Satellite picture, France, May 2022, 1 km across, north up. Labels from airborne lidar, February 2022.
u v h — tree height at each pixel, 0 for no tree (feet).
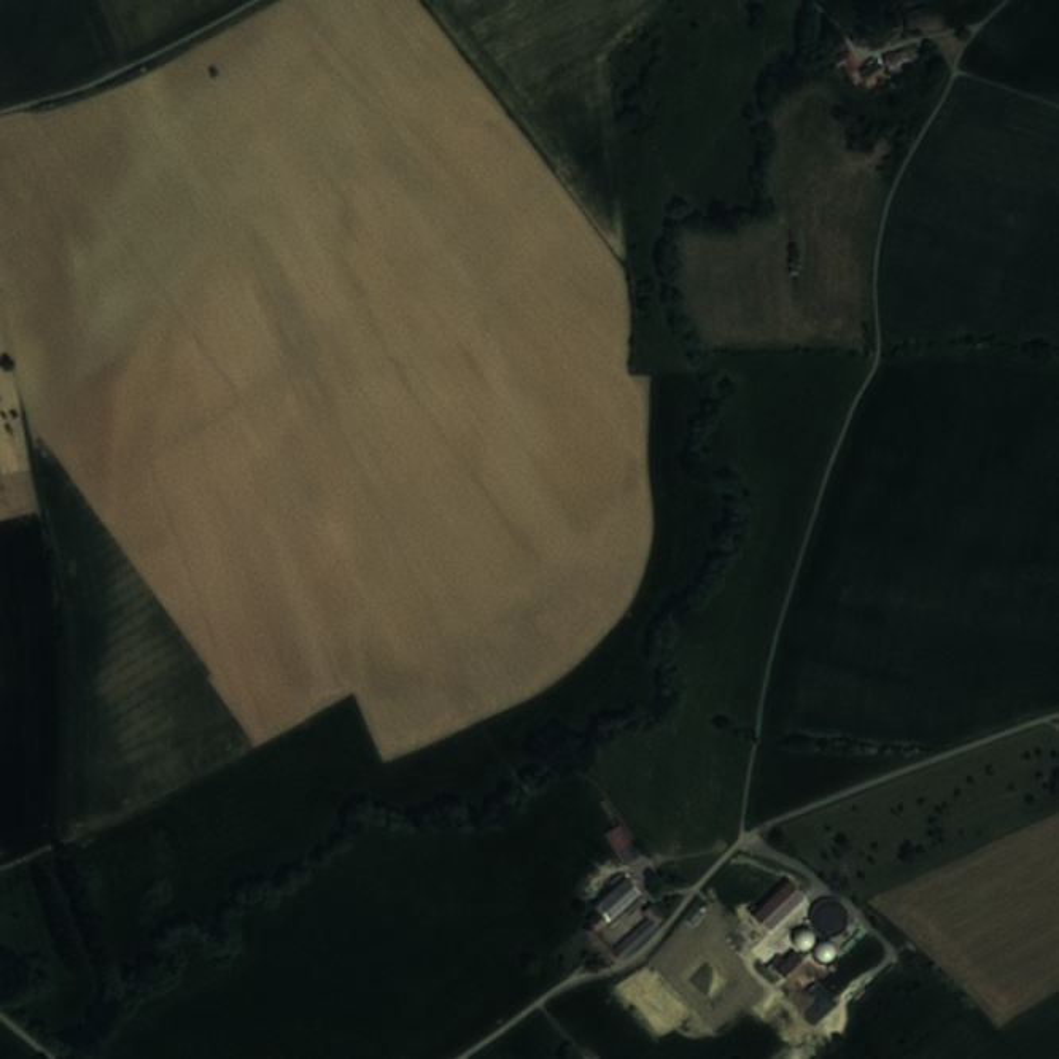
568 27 0
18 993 76
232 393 0
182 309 0
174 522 0
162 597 0
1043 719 0
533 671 0
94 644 0
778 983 0
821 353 0
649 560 0
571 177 0
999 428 0
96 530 0
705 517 0
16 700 0
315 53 0
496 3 0
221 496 0
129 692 0
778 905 0
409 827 47
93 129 0
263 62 0
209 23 0
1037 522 0
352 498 0
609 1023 0
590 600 0
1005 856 0
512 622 0
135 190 0
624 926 0
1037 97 0
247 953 0
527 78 0
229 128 0
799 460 0
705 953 0
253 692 0
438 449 0
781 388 0
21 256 0
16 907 0
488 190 0
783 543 0
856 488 0
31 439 0
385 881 0
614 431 0
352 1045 0
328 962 0
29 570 0
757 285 0
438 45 0
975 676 0
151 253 0
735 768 0
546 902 0
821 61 69
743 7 0
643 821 0
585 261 0
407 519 0
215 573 0
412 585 0
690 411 0
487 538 0
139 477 0
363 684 0
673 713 58
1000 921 0
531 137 0
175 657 0
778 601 0
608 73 0
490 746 0
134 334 0
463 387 0
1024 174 0
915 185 0
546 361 0
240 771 0
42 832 0
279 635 0
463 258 0
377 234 0
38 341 0
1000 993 0
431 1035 0
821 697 0
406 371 0
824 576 0
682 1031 0
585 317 0
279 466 0
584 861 0
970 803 0
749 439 0
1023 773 0
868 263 0
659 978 0
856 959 0
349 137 0
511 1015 0
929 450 0
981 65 0
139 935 0
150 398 0
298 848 0
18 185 0
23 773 0
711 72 0
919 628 0
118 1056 0
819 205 0
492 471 0
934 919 0
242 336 0
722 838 0
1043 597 0
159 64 0
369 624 0
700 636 0
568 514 0
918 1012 0
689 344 44
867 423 0
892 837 0
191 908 0
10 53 0
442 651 0
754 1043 0
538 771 52
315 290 0
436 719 0
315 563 0
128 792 0
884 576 0
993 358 0
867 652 0
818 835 0
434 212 0
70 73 0
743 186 0
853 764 0
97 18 0
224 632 0
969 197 0
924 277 0
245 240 0
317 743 0
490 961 0
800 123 0
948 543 0
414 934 0
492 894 0
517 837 0
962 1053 0
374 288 0
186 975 0
